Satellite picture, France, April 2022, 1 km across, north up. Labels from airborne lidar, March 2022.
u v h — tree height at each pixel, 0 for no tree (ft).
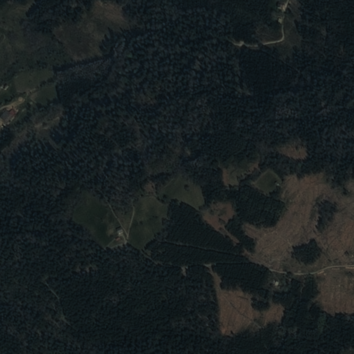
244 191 43
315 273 0
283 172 56
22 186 97
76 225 37
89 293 73
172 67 84
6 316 86
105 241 0
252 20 46
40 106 0
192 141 64
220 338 97
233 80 90
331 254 0
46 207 93
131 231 0
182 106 85
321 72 44
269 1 77
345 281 0
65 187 97
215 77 66
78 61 0
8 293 80
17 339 83
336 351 91
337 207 47
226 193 39
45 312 90
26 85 0
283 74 52
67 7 73
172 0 65
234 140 75
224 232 50
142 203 0
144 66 74
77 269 79
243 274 55
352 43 38
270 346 39
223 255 51
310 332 92
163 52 81
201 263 49
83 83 82
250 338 47
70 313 70
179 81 88
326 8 62
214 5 46
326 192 0
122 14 0
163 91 29
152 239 0
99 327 68
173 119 96
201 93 41
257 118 63
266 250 0
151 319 84
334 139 74
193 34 104
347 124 81
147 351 106
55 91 0
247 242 48
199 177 56
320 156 55
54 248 96
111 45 86
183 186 0
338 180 46
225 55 85
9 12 0
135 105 47
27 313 92
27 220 112
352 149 50
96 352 85
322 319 80
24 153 57
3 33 0
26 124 51
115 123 43
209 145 90
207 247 50
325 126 91
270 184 0
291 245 0
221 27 98
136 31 34
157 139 101
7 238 96
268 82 50
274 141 66
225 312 0
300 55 36
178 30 73
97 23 0
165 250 43
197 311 91
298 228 0
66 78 73
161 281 86
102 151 38
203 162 74
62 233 86
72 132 67
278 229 0
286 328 68
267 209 53
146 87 121
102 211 0
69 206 38
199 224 37
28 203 77
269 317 0
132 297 70
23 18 0
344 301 0
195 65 86
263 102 75
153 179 55
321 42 61
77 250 93
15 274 59
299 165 62
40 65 40
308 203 0
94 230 0
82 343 91
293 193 0
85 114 104
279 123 86
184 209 52
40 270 75
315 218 0
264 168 37
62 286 90
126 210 43
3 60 0
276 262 0
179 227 53
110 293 88
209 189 56
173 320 94
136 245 0
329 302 0
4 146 50
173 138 73
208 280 67
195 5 66
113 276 83
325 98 72
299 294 28
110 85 45
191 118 85
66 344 29
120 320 84
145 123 111
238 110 86
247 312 0
